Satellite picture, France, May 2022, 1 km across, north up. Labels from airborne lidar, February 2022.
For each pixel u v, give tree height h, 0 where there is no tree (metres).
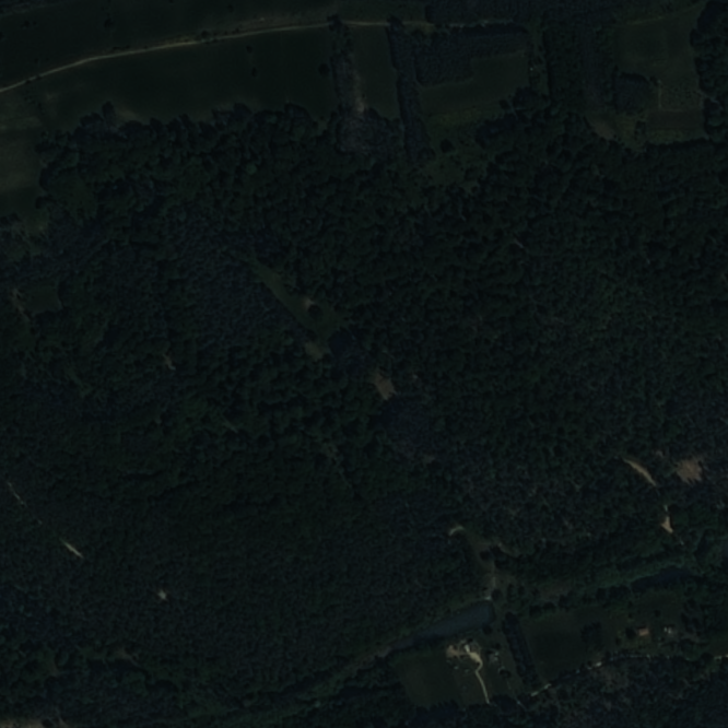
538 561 11
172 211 29
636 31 0
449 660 0
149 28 0
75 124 0
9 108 0
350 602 27
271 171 33
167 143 14
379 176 33
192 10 0
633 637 16
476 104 0
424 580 23
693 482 0
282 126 25
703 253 31
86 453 23
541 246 28
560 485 33
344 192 31
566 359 32
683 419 30
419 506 32
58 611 22
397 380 27
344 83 22
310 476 31
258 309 37
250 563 25
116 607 23
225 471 24
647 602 0
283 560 23
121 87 0
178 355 28
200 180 27
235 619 29
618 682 0
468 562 14
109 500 23
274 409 40
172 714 34
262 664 18
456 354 28
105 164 35
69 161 22
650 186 14
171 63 0
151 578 21
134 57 0
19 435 23
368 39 0
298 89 0
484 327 30
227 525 26
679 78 0
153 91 0
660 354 30
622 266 28
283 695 30
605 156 15
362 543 26
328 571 25
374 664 0
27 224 0
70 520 23
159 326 22
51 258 27
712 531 11
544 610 12
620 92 24
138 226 35
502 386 30
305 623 27
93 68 0
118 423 23
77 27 0
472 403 24
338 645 27
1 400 28
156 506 24
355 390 14
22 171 0
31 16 0
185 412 22
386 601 22
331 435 36
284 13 0
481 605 0
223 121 21
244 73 0
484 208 20
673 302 27
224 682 10
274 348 16
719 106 30
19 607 28
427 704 0
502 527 27
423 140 29
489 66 0
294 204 30
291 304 0
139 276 18
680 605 0
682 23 0
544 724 20
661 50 0
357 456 34
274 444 34
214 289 36
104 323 8
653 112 0
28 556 29
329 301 17
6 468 22
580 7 22
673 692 37
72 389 14
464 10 22
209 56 0
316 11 0
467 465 33
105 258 20
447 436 29
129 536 23
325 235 30
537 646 0
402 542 28
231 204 20
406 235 30
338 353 36
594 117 0
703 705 12
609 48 11
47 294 0
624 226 30
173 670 21
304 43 0
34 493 18
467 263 32
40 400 27
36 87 0
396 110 0
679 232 12
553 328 31
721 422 30
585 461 20
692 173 18
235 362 24
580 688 6
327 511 27
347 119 22
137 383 25
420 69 22
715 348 27
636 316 22
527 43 18
